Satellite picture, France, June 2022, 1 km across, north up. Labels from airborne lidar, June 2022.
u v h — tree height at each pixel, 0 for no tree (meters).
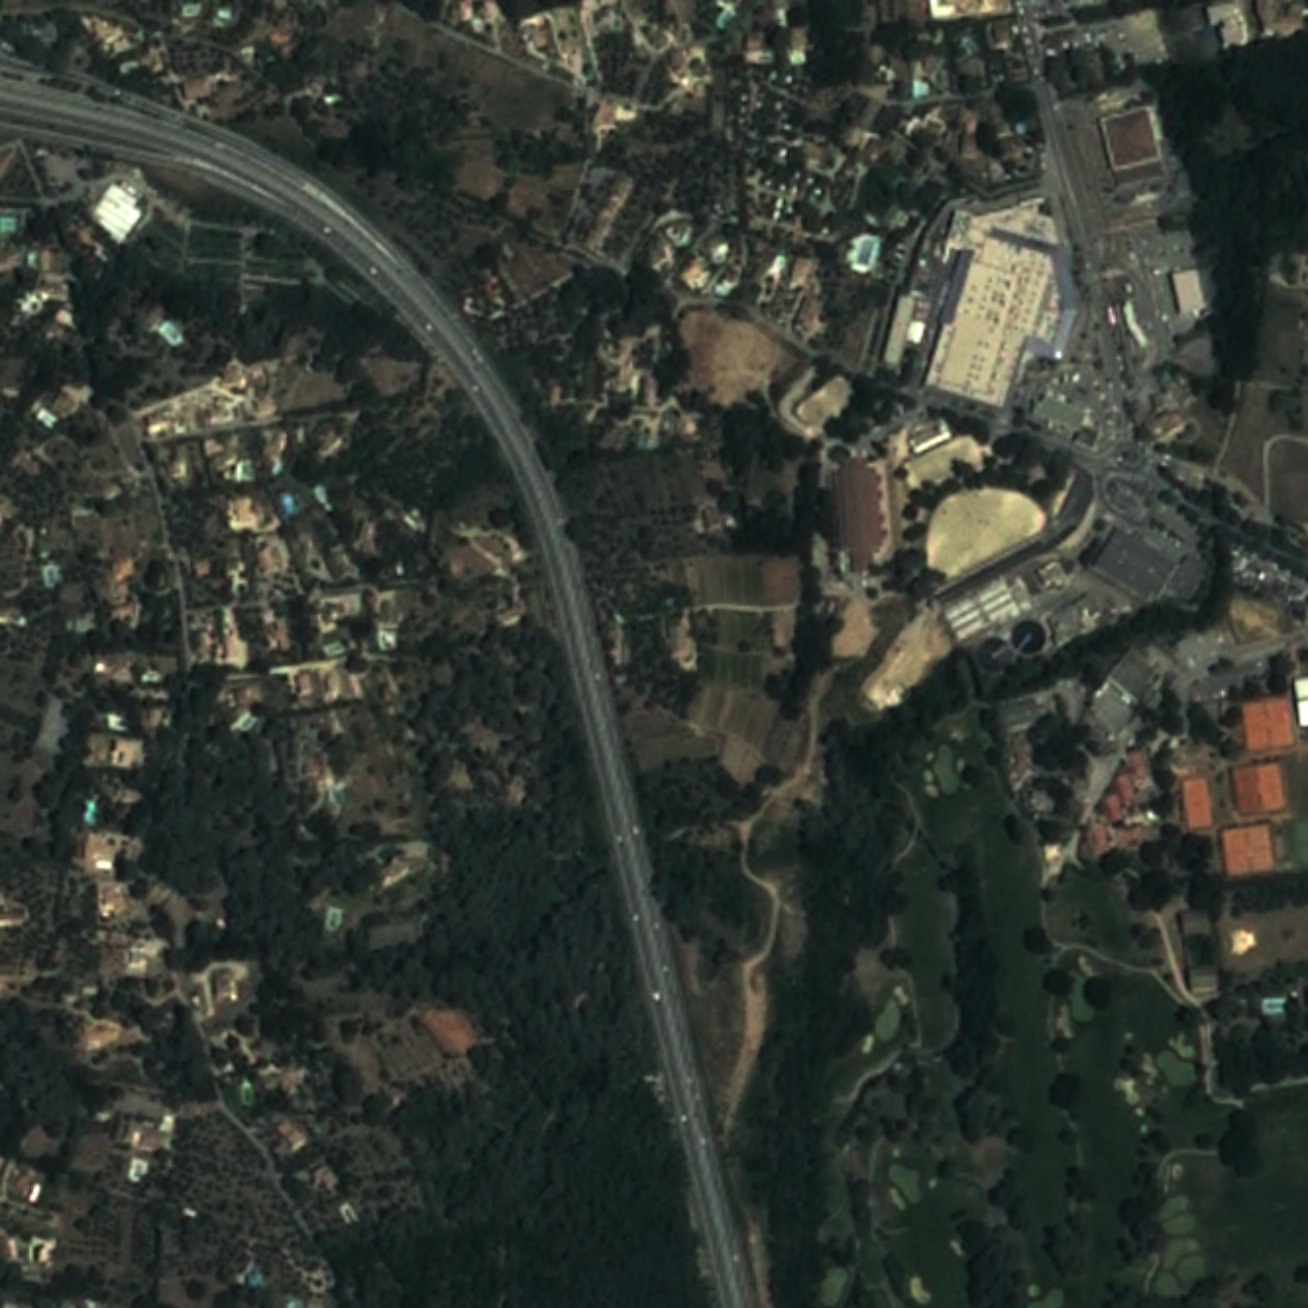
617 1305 6
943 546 0
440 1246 14
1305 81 21
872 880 16
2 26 7
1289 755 0
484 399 0
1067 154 0
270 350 9
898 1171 0
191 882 23
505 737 22
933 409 8
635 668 7
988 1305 17
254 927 19
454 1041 0
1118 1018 0
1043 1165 0
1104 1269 0
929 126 0
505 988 21
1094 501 0
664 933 0
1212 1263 0
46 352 6
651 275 14
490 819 18
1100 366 6
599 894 21
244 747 19
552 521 0
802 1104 12
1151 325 0
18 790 10
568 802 25
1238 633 0
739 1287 0
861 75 13
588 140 8
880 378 7
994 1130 17
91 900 6
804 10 14
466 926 19
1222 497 10
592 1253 9
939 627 0
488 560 0
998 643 0
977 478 10
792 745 0
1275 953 0
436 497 6
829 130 11
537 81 0
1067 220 0
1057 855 0
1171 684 6
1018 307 0
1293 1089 0
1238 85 10
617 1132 7
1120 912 0
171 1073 9
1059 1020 0
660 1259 11
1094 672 15
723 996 0
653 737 0
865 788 11
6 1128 11
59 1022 7
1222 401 16
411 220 8
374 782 0
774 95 6
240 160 0
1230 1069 15
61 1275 8
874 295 7
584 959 17
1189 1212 0
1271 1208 0
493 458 10
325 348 9
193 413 0
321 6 5
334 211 0
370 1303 22
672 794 8
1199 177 19
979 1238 18
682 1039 0
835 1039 7
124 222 0
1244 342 18
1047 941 14
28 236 6
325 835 11
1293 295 0
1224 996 9
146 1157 0
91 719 13
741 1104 0
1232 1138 14
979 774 15
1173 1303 8
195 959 10
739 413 13
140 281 20
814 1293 15
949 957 0
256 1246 6
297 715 7
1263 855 0
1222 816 0
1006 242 0
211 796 22
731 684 0
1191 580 0
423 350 7
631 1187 7
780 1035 10
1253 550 11
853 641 0
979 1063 12
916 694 10
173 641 19
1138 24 0
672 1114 10
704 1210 0
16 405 6
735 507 11
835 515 13
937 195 12
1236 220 20
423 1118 13
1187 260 0
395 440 9
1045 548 0
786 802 0
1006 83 10
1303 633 0
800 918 0
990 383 0
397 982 23
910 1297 8
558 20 0
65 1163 7
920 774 0
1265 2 0
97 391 9
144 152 0
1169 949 0
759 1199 8
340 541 7
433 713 13
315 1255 6
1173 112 12
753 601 0
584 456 14
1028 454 18
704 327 0
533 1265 8
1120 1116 0
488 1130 12
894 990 0
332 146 13
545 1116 17
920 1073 9
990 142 17
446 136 7
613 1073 17
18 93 0
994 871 0
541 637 7
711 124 6
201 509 7
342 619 7
